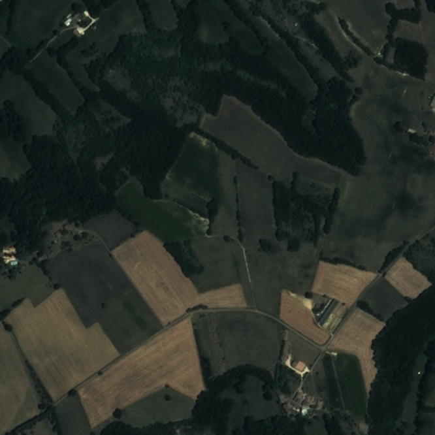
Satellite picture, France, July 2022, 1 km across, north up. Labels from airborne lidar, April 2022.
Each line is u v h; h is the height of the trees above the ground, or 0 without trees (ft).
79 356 0
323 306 20
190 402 0
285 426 77
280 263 0
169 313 0
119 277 0
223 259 0
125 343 0
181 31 44
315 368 0
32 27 0
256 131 0
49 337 0
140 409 0
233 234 0
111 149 26
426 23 0
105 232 0
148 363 0
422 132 0
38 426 0
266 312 0
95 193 64
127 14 0
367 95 0
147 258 0
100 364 0
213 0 0
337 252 0
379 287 0
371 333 0
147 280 0
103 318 0
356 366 0
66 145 35
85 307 0
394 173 0
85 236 37
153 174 53
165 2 0
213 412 59
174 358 0
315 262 0
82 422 0
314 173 0
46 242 0
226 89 60
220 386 63
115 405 0
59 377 0
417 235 0
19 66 66
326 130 76
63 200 71
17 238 65
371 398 38
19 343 0
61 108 61
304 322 0
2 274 22
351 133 58
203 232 0
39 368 0
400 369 62
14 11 35
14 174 0
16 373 0
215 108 41
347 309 0
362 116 0
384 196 0
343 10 0
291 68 0
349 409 0
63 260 0
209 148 0
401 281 0
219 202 43
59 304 0
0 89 0
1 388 0
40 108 0
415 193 0
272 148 0
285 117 67
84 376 0
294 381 0
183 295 0
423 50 47
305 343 0
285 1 33
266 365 0
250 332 0
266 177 0
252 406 0
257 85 26
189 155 0
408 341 37
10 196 75
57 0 0
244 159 38
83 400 0
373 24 0
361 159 51
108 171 41
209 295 0
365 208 0
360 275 0
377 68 0
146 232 0
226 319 0
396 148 0
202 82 39
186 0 0
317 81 49
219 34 0
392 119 0
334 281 0
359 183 0
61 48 40
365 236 0
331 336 0
